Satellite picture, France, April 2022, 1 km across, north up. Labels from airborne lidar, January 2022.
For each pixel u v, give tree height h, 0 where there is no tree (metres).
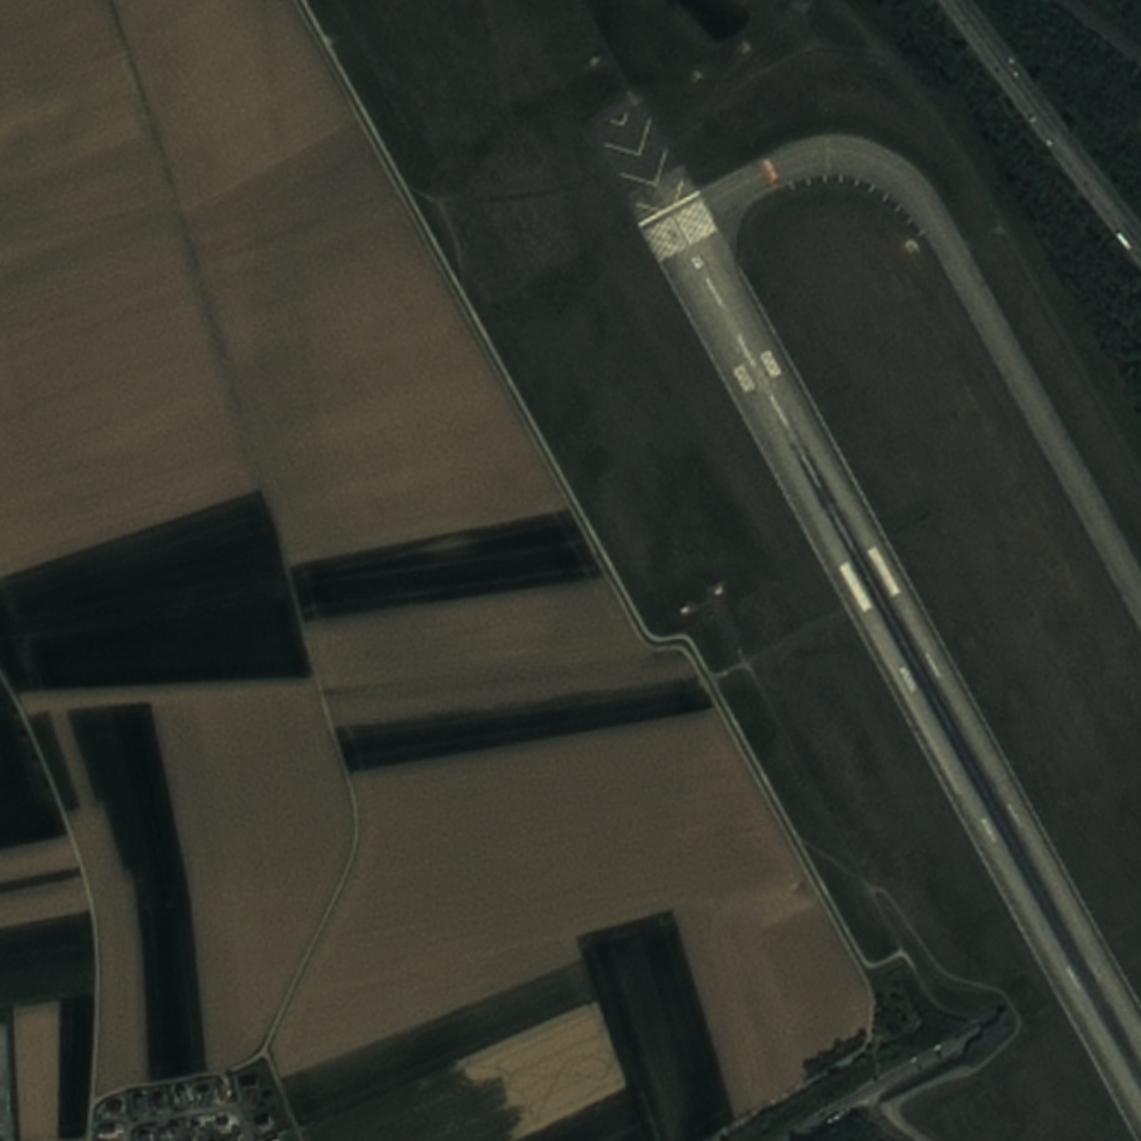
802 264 0
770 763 0
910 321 0
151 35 0
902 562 0
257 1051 0
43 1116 0
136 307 0
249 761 0
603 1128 0
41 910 0
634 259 0
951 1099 0
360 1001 0
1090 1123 0
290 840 0
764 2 0
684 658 0
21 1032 0
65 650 0
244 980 0
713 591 0
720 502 0
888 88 0
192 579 0
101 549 0
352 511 0
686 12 0
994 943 0
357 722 0
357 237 0
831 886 0
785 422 0
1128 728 0
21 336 0
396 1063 0
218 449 0
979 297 0
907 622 0
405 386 0
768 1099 0
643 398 0
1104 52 19
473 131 0
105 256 0
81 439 0
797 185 0
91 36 0
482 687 0
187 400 0
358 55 0
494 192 0
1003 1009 0
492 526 0
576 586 0
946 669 0
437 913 0
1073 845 0
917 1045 10
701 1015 0
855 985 0
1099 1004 0
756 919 0
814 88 0
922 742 0
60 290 0
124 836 0
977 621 0
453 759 0
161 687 0
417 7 0
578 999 0
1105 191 0
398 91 0
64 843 0
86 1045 0
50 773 0
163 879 0
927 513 0
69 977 0
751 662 0
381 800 0
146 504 0
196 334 0
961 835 0
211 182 0
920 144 0
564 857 0
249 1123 0
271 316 0
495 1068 0
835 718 0
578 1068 0
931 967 0
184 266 0
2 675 0
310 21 0
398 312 0
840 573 0
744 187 0
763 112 0
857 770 0
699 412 0
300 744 0
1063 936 0
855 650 0
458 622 0
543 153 0
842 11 0
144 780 0
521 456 0
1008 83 0
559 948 0
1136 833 0
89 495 0
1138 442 0
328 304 0
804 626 0
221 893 0
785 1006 0
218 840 0
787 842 0
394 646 0
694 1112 0
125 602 0
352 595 0
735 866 0
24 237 0
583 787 0
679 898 0
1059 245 11
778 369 0
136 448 0
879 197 0
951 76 11
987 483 0
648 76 0
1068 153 0
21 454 0
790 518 0
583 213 0
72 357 0
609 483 0
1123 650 0
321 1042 0
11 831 0
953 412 0
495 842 0
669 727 0
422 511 0
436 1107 0
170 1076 0
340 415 0
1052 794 0
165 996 0
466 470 0
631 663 0
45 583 0
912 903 0
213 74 0
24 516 0
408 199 0
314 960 0
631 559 0
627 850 0
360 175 0
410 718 0
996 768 0
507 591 0
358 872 0
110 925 0
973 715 0
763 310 0
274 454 0
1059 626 0
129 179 0
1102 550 0
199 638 0
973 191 0
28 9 0
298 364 0
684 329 0
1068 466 0
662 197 0
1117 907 0
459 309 0
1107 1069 0
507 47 0
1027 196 8
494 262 0
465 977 0
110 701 0
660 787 0
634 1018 0
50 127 0
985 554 0
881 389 0
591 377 0
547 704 0
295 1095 0
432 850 0
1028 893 0
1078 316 0
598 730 0
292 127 0
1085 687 0
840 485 0
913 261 0
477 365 0
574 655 0
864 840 0
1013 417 0
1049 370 0
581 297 0
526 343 0
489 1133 0
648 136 0
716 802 0
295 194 0
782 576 0
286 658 0
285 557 0
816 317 0
